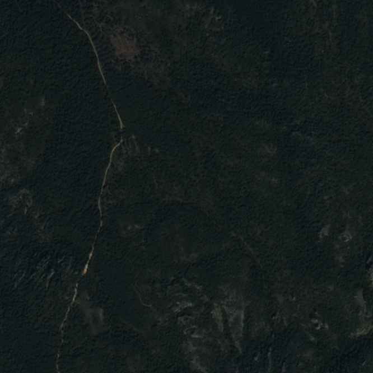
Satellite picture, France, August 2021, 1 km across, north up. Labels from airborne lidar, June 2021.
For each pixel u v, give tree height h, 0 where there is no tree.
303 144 5
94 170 7
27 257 10
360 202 8
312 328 8
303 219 8
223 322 8
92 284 6
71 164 6
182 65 8
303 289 6
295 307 7
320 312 7
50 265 14
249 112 8
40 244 9
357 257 7
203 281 7
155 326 8
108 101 10
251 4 12
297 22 8
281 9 6
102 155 11
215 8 9
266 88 6
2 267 7
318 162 7
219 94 8
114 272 6
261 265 8
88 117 8
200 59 6
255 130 9
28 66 7
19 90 6
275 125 11
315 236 9
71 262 8
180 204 10
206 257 9
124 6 0
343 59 7
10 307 6
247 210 8
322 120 8
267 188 6
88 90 5
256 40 8
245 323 8
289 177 8
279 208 9
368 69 9
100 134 8
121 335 13
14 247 8
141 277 7
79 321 9
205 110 10
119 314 9
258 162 6
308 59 7
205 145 8
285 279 6
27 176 6
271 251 8
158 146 7
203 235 6
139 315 8
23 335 10
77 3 7
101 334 13
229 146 7
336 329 8
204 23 6
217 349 7
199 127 6
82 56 7
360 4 9
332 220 8
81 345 12
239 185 8
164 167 6
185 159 8
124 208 7
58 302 7
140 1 6
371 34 9
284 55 9
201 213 7
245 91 9
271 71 12
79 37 8
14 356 9
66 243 9
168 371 14
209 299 6
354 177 7
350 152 6
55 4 7
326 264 8
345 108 8
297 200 14
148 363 12
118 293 8
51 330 8
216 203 6
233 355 12
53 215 6
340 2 9
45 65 6
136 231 8
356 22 8
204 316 9
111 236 7
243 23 10
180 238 0
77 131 8
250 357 6
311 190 6
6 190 7
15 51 10
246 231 7
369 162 8
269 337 7
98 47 10
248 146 6
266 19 12
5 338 8
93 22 7
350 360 13
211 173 12
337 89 6
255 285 7
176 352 9
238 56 6
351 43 8
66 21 9
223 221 8
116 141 7
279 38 10
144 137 8
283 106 10
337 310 8
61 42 6
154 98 8
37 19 13
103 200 8
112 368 8
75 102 7
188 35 5
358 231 8
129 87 9
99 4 7
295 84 7
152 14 0
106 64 9
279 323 7
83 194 7
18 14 9
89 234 8
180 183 8
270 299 8
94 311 0
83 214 8
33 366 8
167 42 6
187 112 7
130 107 9
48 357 12
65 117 7
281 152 9
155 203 6
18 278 8
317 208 7
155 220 7
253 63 7
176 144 6
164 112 6
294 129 9
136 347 10
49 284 6
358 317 7
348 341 9
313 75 6
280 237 8
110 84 7
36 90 7
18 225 7
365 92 9
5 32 10
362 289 28
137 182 6
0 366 8
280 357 6
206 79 7
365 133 8
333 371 8
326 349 14
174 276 7
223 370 8
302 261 5
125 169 6
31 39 10
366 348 8
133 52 0
